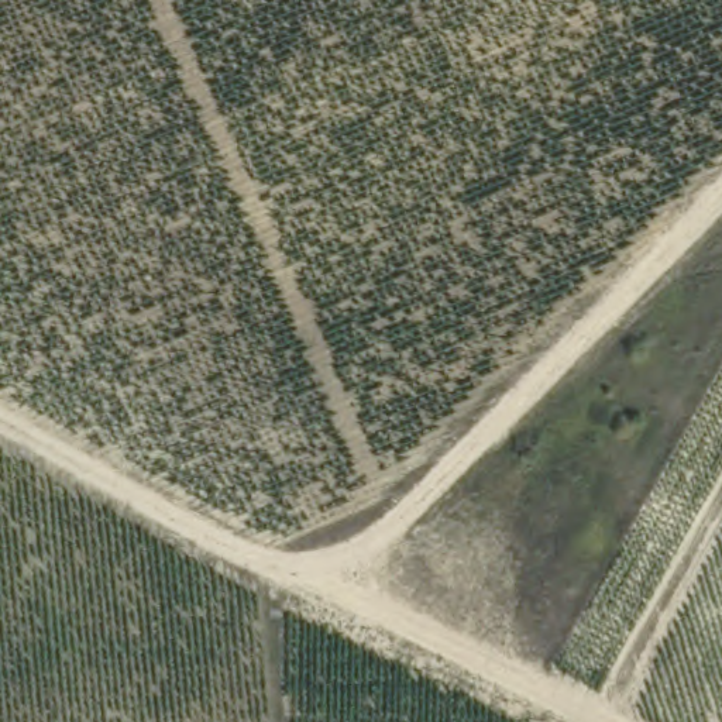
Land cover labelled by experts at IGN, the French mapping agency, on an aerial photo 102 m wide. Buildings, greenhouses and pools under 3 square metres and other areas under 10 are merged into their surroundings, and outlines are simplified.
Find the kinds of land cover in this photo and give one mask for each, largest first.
<instances>
[{"label":"vineyard","instance_id":"1","mask_svg":"<svg viewBox=\"0 0 722 722\"><path fill-rule=\"evenodd\" d=\"M722 172V0H0V400H14L20 406H28L34 415L51 417L54 423L65 426L76 440H87L93 448H124V460L138 465L141 471L166 477L172 485H181L189 496L217 510L240 513L251 530H268L282 536L288 553L330 547L367 530L386 510H392L440 463V457H446L479 423L485 412L494 409V403L508 389H513L522 381L525 372L533 369V364L547 350L558 344L564 333L575 327V322L587 316L589 307H595L612 290L615 279L649 251L651 234H666L674 226L677 214L694 203V195L711 186ZM0 722H561L547 711H533V705L525 697L505 694L496 683H485L463 671L443 654L429 651L412 640H403L392 629L355 623V615L350 609H341L338 604L327 606L319 592H307L305 598H299L296 592L262 581L257 573L228 558H217L209 553L203 556L195 542L175 539L161 525L144 522L130 508L110 502L99 491H87L65 471H51L45 460L11 457L0 446ZM643 722H722V530L716 533L714 553L702 564L699 578L688 592L680 615L671 620L668 635L657 646L646 685L637 699V711Z\"/></svg>","mask_w":722,"mask_h":722},{"label":"herbaceous vegetation","instance_id":"2","mask_svg":"<svg viewBox=\"0 0 722 722\"><path fill-rule=\"evenodd\" d=\"M722 530V217L702 234V240H697L685 251L680 262H674L620 316V322L604 338H598L564 372V378L510 429V434L499 446L488 448L434 505H429L426 513H420L406 527V533L398 542H392L389 558L378 570V587H384L392 598L409 601L417 612H426L463 635L491 643L510 657L542 663L544 671H561L564 677H573L575 683H584L592 691L598 688L609 699V705L623 716H632L637 711V699L646 685L657 646L668 635L671 620L680 615L688 592L699 578L702 564L714 553L716 533Z\"/></svg>","mask_w":722,"mask_h":722},{"label":"pervious surface","instance_id":"3","mask_svg":"<svg viewBox=\"0 0 722 722\"><path fill-rule=\"evenodd\" d=\"M722 217V172L711 186L694 195V203L677 214L674 226L666 234H651L649 251L615 279L612 290L595 307H589L587 316L575 322V327L564 333L558 344L547 350L533 364V369L525 372L522 381L513 389H508L494 403V409L485 412L479 423L446 457H440V463L392 510H386L367 530L330 547L288 553L282 536L268 530H251L240 513L217 510L189 496L181 485H172L166 477L141 471L138 465L124 460V448H93L87 440H76L65 426L54 423L51 417L34 415L28 406H20L14 400H0V446L11 457L45 460L51 471H65L87 491H99L110 502L130 508L144 522L161 525L175 539L195 542L203 556L209 553L217 558H228L257 573L262 581L296 592L299 598H305L307 592H319L327 606L338 604L341 609H350L355 615V623L392 629L403 640H412L429 651L443 654L463 671L485 683H496L505 694L525 697L533 705V711H547L561 722H643L637 711L632 716H623L609 705V699L598 688L592 691L584 683H575L573 677H564L561 671H544L542 663L510 657L491 643L463 635L426 612H417L409 601L392 598L384 587H378V570L389 558L392 542H398L406 533V527L420 513H426L429 505H434L488 448L499 446L510 434V429L564 378V372L598 338H604L620 322V316L674 262H680L685 251L697 240H702V234Z\"/></svg>","mask_w":722,"mask_h":722}]
</instances>
